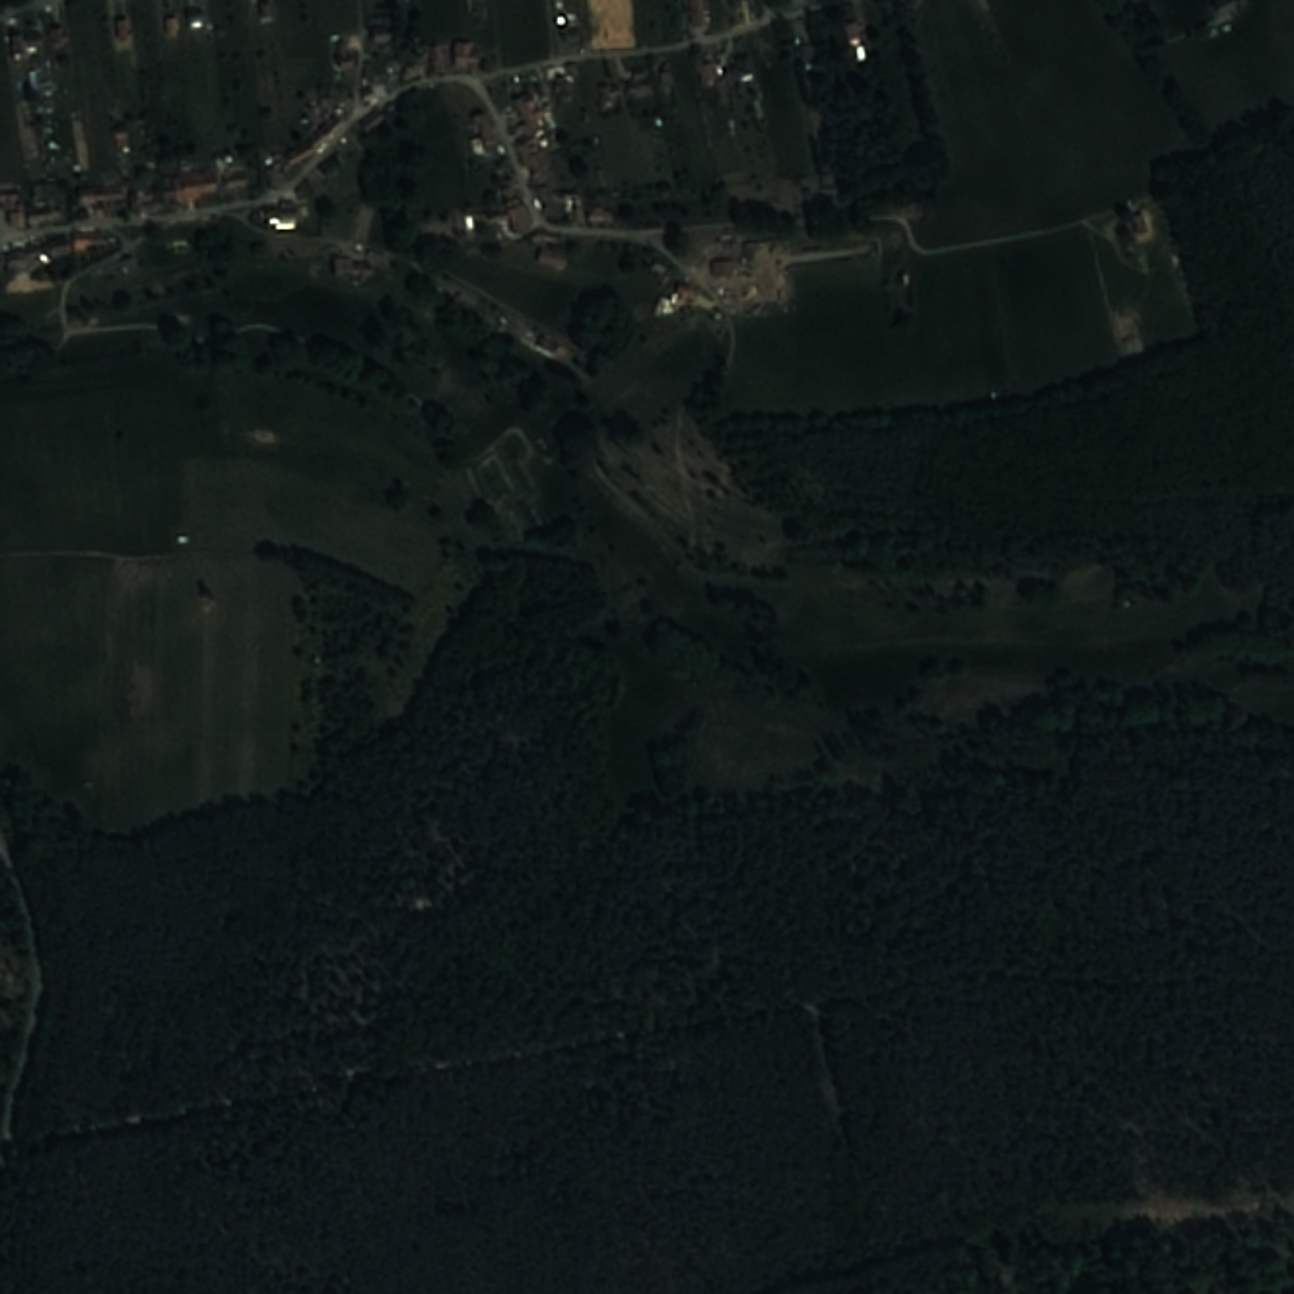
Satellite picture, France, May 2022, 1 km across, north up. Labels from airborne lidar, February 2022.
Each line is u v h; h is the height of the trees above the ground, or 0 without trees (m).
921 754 0
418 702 9
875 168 24
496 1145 21
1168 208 18
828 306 0
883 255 0
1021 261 0
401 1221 23
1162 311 0
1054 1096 26
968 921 25
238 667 0
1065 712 17
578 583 18
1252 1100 23
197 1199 21
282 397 0
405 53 10
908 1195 24
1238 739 9
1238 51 0
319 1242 23
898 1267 34
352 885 19
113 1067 17
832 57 16
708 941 20
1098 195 0
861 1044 22
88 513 0
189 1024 18
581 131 0
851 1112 18
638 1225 25
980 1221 25
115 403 0
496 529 17
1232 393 17
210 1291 24
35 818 28
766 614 23
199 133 0
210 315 0
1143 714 21
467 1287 23
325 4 0
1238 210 17
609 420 0
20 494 0
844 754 26
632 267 10
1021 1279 32
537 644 21
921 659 0
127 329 0
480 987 22
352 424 0
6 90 0
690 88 0
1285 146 13
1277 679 17
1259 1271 32
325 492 0
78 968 20
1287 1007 24
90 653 0
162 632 0
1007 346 0
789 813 18
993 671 0
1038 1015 26
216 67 0
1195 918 22
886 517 13
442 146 0
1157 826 23
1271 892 21
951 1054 24
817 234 16
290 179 0
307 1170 22
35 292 0
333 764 14
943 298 0
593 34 0
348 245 0
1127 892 23
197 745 0
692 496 0
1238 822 24
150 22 0
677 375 0
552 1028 21
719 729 0
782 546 0
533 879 22
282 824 18
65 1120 18
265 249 8
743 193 0
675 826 21
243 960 16
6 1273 20
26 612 0
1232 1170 25
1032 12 0
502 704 26
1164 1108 24
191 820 11
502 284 0
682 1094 24
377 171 17
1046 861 28
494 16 0
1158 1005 22
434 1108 21
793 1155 21
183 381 0
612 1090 9
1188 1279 34
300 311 0
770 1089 20
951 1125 25
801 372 0
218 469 0
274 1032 18
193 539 0
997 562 22
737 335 0
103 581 0
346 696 9
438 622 0
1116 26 18
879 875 22
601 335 21
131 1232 22
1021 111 0
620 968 21
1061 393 11
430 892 13
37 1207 22
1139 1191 24
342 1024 10
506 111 0
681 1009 7
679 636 23
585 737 16
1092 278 0
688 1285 27
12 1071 12
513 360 18
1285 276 16
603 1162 24
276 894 15
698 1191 24
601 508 0
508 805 23
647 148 0
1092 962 24
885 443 21
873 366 0
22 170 0
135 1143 20
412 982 25
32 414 0
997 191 0
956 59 0
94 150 0
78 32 0
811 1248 22
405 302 0
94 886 21
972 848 21
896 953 20
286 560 13
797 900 17
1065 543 26
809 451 18
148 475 0
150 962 18
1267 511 29
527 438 0
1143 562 27
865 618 0
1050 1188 23
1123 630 0
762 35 0
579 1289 22
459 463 17
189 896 17
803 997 23
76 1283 23
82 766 0
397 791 20
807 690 19
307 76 0
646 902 25
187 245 0
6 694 0
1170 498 16
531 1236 21
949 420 13
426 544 0
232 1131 22
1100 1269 35
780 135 0
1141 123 0
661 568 0
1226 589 13
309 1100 13
